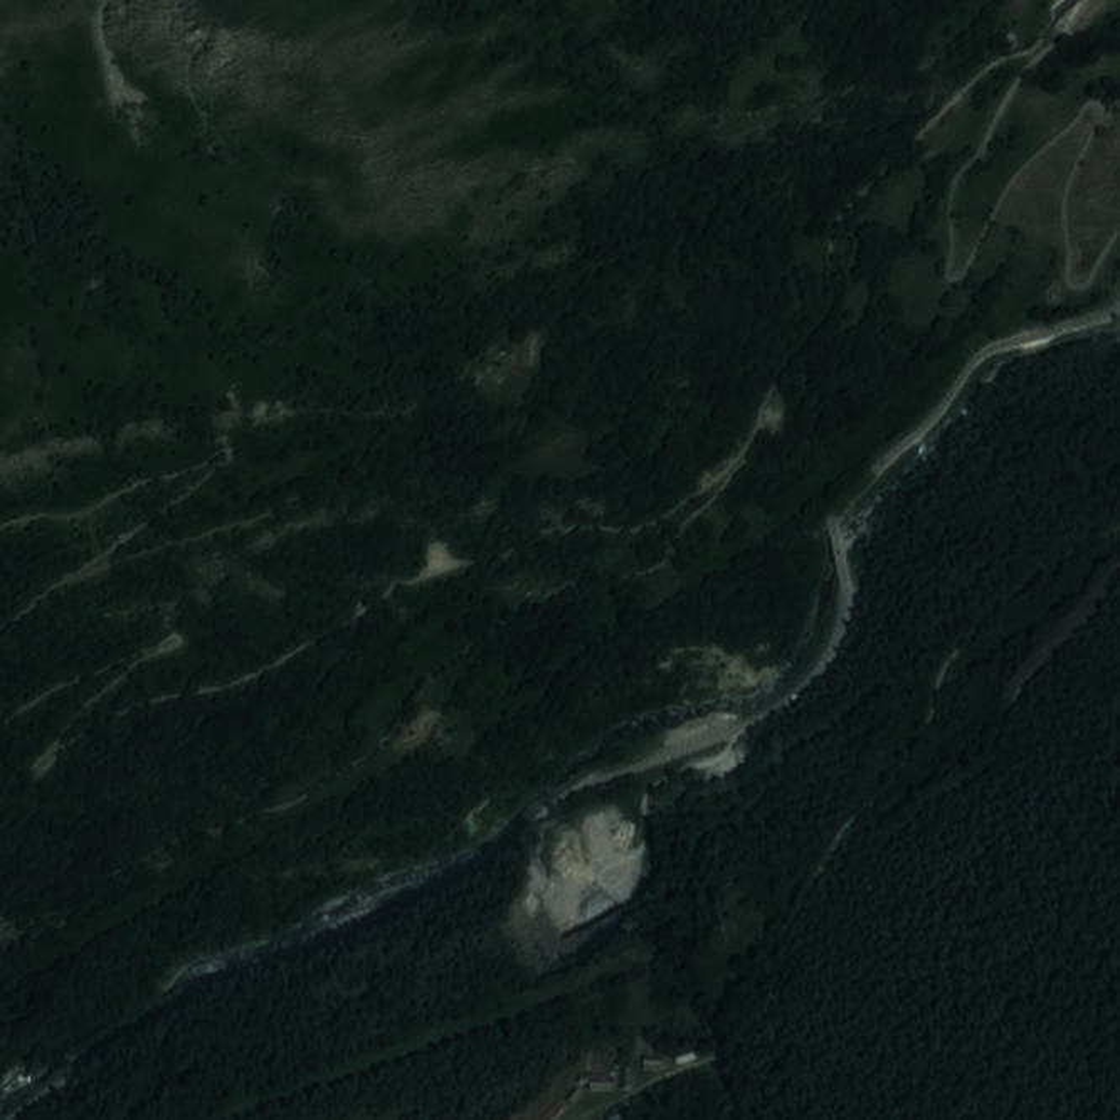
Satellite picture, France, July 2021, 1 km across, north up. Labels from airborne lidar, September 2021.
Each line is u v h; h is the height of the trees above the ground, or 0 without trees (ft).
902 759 39
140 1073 47
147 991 68
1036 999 79
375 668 24
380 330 39
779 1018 70
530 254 23
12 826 51
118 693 39
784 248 46
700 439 25
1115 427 51
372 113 0
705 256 82
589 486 62
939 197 58
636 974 37
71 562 35
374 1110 26
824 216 34
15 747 67
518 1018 38
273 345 20
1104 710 55
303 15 0
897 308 73
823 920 50
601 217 47
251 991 79
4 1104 19
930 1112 64
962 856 69
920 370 64
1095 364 28
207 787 31
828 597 20
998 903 67
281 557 58
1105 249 0
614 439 55
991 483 65
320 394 27
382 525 50
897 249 66
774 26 30
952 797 71
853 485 26
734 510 43
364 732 48
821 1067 56
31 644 36
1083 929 45
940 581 62
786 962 44
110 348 0
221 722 56
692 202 31
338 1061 44
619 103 21
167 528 32
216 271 0
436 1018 27
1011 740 51
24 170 45
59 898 60
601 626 28
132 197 54
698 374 35
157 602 40
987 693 24
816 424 56
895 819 65
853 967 67
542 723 56
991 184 0
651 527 33
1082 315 83
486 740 59
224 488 30
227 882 37
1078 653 59
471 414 67
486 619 61
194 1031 66
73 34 0
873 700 54
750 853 57
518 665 64
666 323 49
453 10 29
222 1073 58
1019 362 49
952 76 61
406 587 53
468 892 58
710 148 26
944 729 65
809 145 62
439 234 0
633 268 46
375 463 49
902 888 65
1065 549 53
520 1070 30
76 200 53
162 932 68
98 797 66
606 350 40
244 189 0
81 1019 54
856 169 39
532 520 39
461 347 28
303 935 0
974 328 28
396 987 39
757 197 80
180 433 47
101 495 17
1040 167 0
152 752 72
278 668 22
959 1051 59
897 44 46
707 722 0
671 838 72
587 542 33
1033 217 0
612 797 39
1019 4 0
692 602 50
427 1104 42
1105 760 67
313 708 41
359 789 21
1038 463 79
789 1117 46
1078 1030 57
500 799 25
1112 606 42
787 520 22
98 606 30
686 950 82
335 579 32
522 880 32
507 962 41
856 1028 54
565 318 64
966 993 62
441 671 35
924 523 39
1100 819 67
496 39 28
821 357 86
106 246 33
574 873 0
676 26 26
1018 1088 56
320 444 42
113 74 0
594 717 38
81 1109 48
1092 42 32
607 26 42
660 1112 33
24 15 0
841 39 28
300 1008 52
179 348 21
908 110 25
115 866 67
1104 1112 57
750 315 47
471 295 36
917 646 49
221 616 56
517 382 0
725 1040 72
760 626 41
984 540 50
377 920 51
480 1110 30
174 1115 72
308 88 0
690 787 33
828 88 26
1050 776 72
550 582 21
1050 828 60
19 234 41
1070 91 0
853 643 26
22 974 29
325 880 69
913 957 59
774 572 69
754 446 39
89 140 0
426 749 23
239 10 0
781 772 47
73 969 54
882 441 37
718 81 35
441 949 34
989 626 56
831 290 63
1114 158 0
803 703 47
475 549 39
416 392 68
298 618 26
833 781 50
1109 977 52
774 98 30
